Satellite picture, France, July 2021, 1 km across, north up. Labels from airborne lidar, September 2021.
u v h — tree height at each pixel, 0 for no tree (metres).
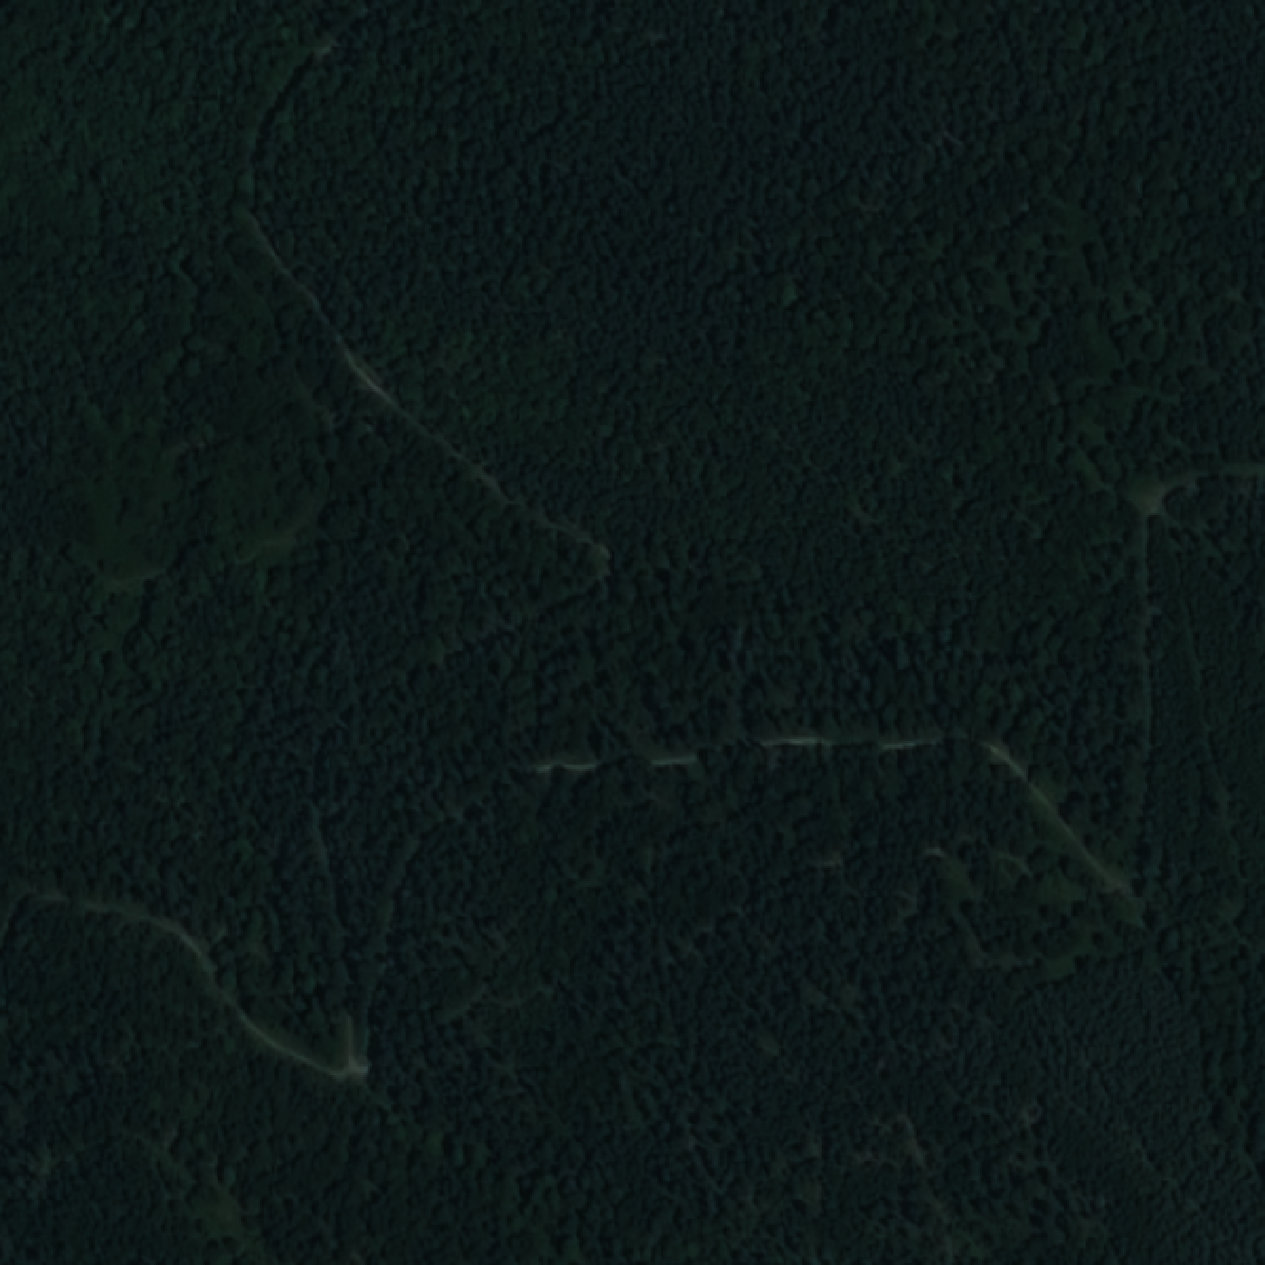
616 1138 23
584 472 17
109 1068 16
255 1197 14
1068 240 17
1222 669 11
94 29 22
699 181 29
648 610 17
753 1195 25
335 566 27
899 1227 30
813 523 12
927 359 24
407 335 11
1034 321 14
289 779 16
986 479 19
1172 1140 21
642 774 23
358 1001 16
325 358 26
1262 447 19
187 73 20
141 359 26
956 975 22
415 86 17
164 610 28
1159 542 14
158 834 20
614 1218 20
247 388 19
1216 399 18
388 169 19
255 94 23
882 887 22
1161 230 30
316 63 23
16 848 23
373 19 13
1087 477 15
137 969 14
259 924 19
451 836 16
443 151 23
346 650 24
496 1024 8
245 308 8
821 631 28
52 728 22
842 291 25
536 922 12
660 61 30
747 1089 24
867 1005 8
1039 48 19
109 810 19
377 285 24
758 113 26
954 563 15
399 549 37
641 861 17
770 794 29
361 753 26
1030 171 19
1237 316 21
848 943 31
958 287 30
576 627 13
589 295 24
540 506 24
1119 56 33
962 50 32
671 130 23
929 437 21
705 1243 29
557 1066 14
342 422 13
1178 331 10
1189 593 13
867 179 25
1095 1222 20
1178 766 13
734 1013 16
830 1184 14
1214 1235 24
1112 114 30
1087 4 22
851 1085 23
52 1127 21
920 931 22
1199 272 16
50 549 14
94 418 25
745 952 14
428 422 18
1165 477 11
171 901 37
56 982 25
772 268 32
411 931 10
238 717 19
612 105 22
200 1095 12
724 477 22
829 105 21
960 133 24
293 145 17
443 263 27
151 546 10
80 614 25
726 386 20
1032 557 21
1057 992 19
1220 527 17
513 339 12
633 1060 10
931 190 20
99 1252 19
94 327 23
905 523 21
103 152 16
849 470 18
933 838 25
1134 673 12
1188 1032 21
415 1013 14
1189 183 22
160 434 12
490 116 16
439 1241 24
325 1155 22
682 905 13
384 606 26
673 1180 30
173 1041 10
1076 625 25
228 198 15
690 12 28
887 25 24
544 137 17
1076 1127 23
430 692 17
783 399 20
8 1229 14
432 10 22
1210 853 16
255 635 19
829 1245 13
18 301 26
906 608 29
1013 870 10
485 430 9
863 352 22
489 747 22
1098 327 11
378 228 13
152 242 26
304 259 21
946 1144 29
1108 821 25
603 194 28
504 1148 21
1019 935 20
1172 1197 18
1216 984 22
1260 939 14
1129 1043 25
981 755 25
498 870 11
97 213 20
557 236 29
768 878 22
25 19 26
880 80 29
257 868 25
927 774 22
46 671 22
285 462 14
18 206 22
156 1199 13
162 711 27
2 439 21
